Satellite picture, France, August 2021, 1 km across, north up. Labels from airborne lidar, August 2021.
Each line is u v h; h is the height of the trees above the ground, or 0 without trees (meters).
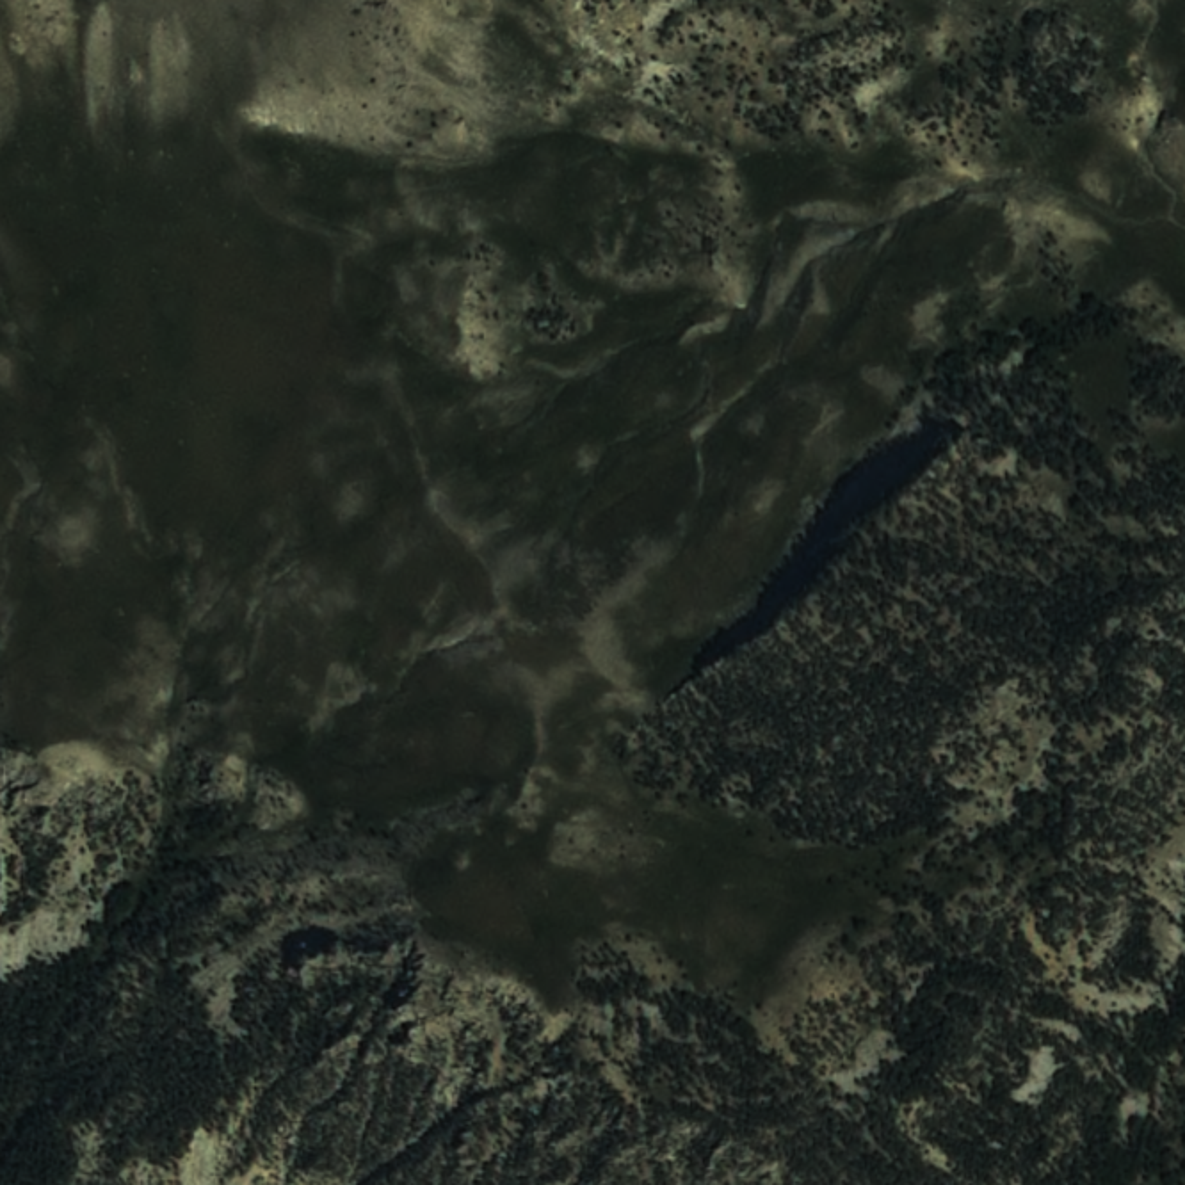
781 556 0
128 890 20
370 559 0
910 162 0
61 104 0
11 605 0
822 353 0
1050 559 10
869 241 0
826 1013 6
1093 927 9
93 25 0
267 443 0
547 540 0
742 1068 8
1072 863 6
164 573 0
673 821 0
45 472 0
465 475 0
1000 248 0
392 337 0
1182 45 0
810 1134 9
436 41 0
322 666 0
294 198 0
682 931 0
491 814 0
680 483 0
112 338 0
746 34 0
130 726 0
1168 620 6
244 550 0
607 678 0
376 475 0
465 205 0
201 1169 0
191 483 0
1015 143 0
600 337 0
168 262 0
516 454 0
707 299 0
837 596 7
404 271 0
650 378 0
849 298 0
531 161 0
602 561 0
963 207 0
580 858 0
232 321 0
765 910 0
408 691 0
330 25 0
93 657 0
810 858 0
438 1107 7
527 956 0
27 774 0
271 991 6
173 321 0
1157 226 0
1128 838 7
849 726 7
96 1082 10
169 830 7
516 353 0
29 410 0
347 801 0
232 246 0
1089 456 7
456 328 0
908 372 0
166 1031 7
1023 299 0
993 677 7
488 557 0
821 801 9
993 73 7
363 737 0
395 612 0
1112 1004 0
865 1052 0
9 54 0
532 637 0
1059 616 9
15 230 0
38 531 0
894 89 0
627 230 0
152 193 0
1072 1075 7
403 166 0
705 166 0
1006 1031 11
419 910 0
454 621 0
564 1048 6
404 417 0
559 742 0
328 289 0
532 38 0
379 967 6
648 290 0
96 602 0
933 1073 6
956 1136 6
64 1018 8
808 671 7
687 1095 7
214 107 0
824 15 7
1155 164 0
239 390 0
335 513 0
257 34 0
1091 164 0
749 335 0
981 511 8
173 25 0
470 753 0
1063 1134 8
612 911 0
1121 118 0
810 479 0
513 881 0
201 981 0
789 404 0
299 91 0
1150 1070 14
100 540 0
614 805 0
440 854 0
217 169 0
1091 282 0
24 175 0
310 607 0
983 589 12
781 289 0
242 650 0
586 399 0
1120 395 0
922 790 8
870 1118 8
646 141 0
